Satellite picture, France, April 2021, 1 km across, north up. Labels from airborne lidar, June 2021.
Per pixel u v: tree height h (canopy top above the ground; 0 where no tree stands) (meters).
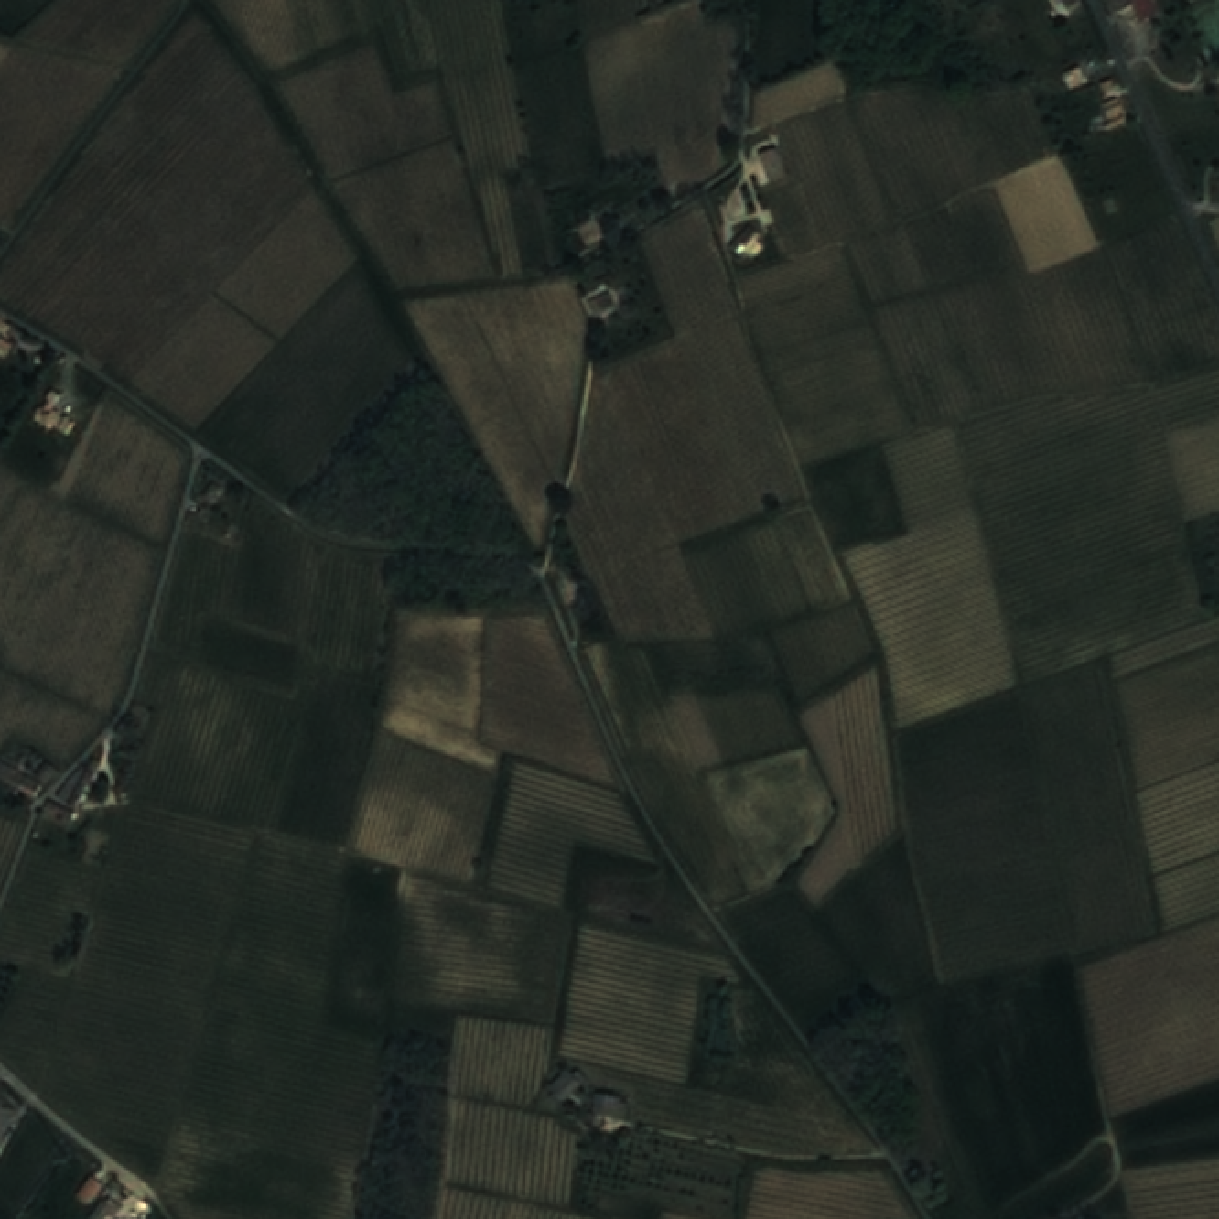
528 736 0
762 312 0
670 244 0
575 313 0
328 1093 0
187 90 0
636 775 0
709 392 0
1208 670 0
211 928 0
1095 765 0
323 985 0
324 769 0
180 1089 0
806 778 0
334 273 0
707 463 0
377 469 23
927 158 0
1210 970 0
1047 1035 0
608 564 0
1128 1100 0
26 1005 0
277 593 0
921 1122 16
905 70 17
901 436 0
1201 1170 0
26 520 0
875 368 0
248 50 0
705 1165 0
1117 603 0
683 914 0
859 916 0
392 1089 8
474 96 0
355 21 0
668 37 0
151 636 0
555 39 0
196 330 0
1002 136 0
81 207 0
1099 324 0
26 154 0
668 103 0
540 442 0
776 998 0
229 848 0
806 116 0
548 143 0
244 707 0
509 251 0
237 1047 0
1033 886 0
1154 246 0
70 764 0
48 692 0
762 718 0
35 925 0
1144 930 0
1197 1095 0
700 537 0
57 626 0
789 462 0
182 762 0
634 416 0
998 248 0
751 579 0
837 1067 20
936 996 0
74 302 0
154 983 0
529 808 0
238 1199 0
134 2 0
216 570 0
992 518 0
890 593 0
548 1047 0
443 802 0
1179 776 0
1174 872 0
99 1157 0
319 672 0
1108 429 0
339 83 0
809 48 0
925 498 0
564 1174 0
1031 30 0
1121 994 0
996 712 0
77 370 0
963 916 0
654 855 0
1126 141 0
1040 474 0
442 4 0
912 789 0
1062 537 0
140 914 0
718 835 0
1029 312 0
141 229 0
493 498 19
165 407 0
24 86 0
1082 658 0
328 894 0
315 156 0
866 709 0
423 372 16
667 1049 0
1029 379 0
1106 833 0
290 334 0
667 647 0
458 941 0
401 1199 16
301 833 0
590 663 0
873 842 0
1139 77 0
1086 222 0
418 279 0
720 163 0
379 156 0
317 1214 0
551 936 0
